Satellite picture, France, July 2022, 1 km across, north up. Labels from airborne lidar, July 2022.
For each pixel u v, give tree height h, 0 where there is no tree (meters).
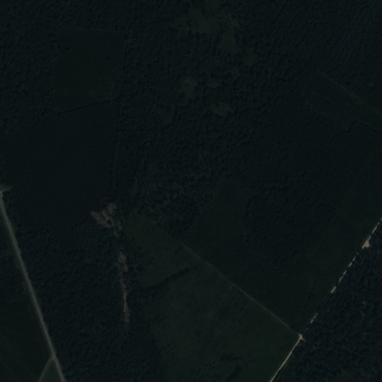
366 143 13
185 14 10
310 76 15
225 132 13
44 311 17
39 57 20
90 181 13
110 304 26
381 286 22
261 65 11
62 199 13
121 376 26
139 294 17
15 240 0
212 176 17
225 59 21
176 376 0
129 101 18
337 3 18
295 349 0
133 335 22
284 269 15
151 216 15
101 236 17
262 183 16
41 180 12
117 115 12
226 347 0
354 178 13
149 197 12
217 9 0
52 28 21
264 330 0
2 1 21
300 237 18
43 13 24
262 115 21
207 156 8
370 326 17
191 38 18
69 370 26
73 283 25
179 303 0
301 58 12
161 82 22
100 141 12
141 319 24
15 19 27
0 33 23
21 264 0
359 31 18
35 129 12
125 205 17
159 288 18
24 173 13
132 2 22
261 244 15
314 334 17
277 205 15
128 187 8
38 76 20
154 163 24
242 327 0
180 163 21
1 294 20
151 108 21
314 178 15
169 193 22
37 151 11
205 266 0
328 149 13
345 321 14
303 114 12
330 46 13
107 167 13
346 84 13
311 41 17
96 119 13
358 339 17
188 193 19
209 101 24
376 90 13
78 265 24
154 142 17
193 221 17
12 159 15
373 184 6
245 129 14
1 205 0
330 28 15
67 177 12
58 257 23
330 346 15
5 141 17
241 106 20
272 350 0
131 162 10
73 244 14
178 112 14
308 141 14
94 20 21
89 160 13
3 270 22
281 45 18
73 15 23
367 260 11
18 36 19
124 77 6
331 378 23
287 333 0
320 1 17
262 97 23
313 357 24
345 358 14
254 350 0
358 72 18
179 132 21
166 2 24
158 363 20
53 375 0
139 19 9
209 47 24
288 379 6
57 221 12
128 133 22
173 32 20
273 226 18
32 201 13
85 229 27
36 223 13
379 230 6
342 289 18
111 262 35
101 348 22
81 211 12
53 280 17
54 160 13
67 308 20
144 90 25
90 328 27
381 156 5
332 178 15
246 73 19
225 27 19
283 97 12
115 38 6
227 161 24
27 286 0
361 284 18
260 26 22
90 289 25
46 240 24
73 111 10
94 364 21
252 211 17
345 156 14
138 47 18
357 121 11
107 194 18
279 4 18
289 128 15
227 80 8
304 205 19
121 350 21
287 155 20
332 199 14
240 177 14
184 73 20
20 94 23
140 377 22
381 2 16
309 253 15
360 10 16
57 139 13
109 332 17
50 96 19
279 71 19
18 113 18
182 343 0
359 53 14
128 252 23
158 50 18
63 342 25
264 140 13
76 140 14
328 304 26
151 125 21
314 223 17
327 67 14
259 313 0
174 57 19
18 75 25
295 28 13
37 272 28
